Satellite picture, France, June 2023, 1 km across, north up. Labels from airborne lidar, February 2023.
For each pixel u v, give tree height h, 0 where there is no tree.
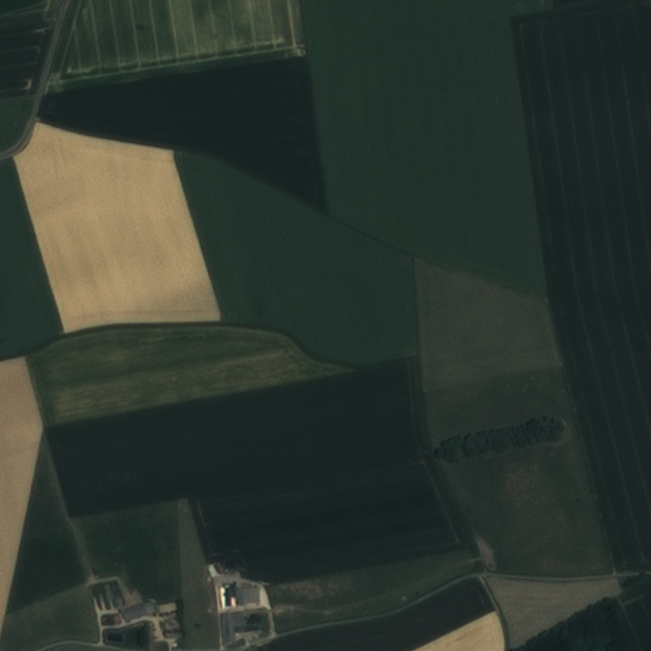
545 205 0
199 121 0
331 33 0
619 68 0
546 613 0
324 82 0
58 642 0
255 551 0
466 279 0
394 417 0
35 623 0
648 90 0
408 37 0
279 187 0
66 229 0
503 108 0
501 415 0
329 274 0
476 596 0
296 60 0
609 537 0
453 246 0
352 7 0
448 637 0
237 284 0
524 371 0
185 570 0
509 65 0
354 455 0
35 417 0
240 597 0
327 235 0
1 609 0
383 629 0
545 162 0
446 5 0
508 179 0
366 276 0
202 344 0
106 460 0
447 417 0
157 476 0
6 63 0
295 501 0
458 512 0
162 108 0
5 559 0
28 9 0
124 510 0
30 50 0
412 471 0
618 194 0
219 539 0
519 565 0
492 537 0
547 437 17
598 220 0
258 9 0
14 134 0
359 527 0
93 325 0
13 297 0
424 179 0
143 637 7
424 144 0
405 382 0
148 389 0
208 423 0
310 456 0
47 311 0
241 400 0
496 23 0
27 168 0
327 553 0
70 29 0
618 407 0
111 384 0
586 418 0
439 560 0
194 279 0
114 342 0
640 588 0
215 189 0
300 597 0
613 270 0
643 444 0
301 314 0
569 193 0
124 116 0
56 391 0
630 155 0
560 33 0
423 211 0
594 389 0
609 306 0
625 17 0
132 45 0
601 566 0
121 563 0
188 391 0
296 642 0
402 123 0
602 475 0
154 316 0
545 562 0
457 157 0
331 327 0
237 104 0
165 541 0
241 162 0
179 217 0
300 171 0
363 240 0
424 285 0
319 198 0
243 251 0
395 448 0
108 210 0
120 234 0
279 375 0
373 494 0
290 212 0
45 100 0
